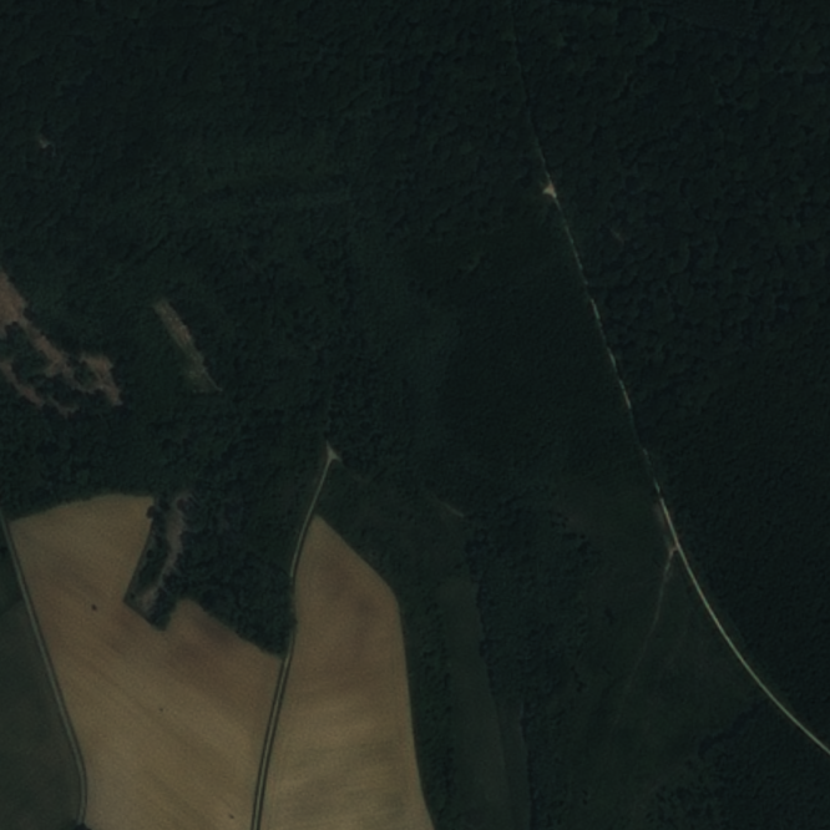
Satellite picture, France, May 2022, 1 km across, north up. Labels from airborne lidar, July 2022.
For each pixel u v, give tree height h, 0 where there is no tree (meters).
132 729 0
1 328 0
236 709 0
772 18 29
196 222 20
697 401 27
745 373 25
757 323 30
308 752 0
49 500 25
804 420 18
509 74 27
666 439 17
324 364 24
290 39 20
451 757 11
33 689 0
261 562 17
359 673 0
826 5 21
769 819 25
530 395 16
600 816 0
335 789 0
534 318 16
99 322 24
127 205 25
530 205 11
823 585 22
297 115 25
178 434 11
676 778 0
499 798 0
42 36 28
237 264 22
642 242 33
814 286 32
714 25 14
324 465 0
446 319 18
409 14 29
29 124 29
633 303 18
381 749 0
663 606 0
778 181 28
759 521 22
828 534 23
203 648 0
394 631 0
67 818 0
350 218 24
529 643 23
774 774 22
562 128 26
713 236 29
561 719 8
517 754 0
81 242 24
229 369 29
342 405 15
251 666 0
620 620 22
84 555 0
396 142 28
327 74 28
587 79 30
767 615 22
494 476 19
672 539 0
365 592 0
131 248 28
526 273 20
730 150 29
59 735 0
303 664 0
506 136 27
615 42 30
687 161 30
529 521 29
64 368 0
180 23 28
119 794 0
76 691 0
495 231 12
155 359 20
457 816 6
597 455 17
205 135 28
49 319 26
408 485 7
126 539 0
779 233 31
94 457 20
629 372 23
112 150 30
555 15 27
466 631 0
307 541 0
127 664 0
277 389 25
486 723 0
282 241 12
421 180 29
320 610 0
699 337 30
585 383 15
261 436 22
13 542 0
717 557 20
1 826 0
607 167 22
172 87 27
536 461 18
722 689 0
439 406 16
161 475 24
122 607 0
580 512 0
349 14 27
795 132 32
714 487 20
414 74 31
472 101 28
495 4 30
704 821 10
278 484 7
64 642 0
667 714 0
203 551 29
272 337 22
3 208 23
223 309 16
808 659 22
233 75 27
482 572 18
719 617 15
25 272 24
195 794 0
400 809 0
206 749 0
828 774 22
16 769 0
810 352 20
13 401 22
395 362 20
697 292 33
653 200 34
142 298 17
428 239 18
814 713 20
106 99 32
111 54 28
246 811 0
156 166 24
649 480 8
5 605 0
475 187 27
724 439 20
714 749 22
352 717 0
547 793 19
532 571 20
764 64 32
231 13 31
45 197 26
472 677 0
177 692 0
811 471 21
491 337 14
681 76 29
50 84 26
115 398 0
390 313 25
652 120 28
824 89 32
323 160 24
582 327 15
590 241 25
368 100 25
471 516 7
